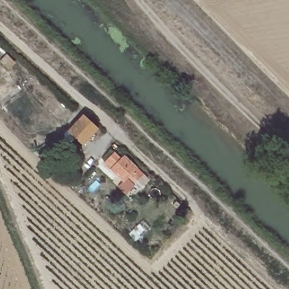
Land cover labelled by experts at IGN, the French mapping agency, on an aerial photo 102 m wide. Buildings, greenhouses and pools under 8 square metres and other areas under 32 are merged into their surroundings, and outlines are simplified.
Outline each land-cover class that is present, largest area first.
<instances>
[{"label":"herbaceous vegetation","instance_id":"1","mask_svg":"<svg viewBox=\"0 0 289 289\"><path fill-rule=\"evenodd\" d=\"M12 2L30 23L40 29L47 40L59 47L77 67L93 78L100 88L113 96L119 103L117 107L115 112L134 117L152 139L181 161L240 217L247 211L246 208L244 199H234L226 187L212 177L189 150L173 140L161 126L152 123L141 108L135 106L123 91L117 90L110 80L100 75L84 55L78 53L79 38L72 41L62 37L45 23L38 15V11L32 9L33 2L26 0H7ZM103 18L99 28L111 35L112 40L120 45L121 52L133 47L142 59H146L150 52H156L160 60L173 63L178 71L195 75L192 90L193 95L201 100L200 108L217 128L225 131L239 144L243 157L248 156L245 147L246 134L257 131L234 105L212 87L209 81L167 41L133 0H82ZM186 49L199 59L239 103L261 121L265 115L277 111L289 116V97L275 84L193 0H143ZM6 25L20 41L25 42L34 53L40 55L41 59L77 89L85 80L80 76H72L70 65L47 47L46 43L38 40L33 30L12 15L8 7L0 5V27ZM84 107L79 105L75 112L68 110L49 89L40 84L36 77L30 75L23 64L12 60L5 50H0V124L5 122L7 128L28 149L32 143H44L47 134L68 123L82 110ZM121 129L128 133L130 140L144 155L160 166L179 186L191 193L204 214L208 217L224 228L226 234L235 236L239 230L234 219L220 209L217 202L186 176L163 154V151L149 142L129 120L120 125ZM95 135L100 139L104 135L91 122L77 138L82 146L94 139ZM91 165H94L96 166L95 172L90 175V177L88 178V183L86 185L70 187L71 191L75 192L79 196V198L88 205L90 209H93L96 213H98L99 217H102L107 222V224L115 230L116 228H125L131 231L137 229L139 225L142 224V222H144V224L148 226L149 222H151L152 220H156L158 216H160V214H165V220H169L170 218H172L174 216L176 209L179 207V204L177 202H174V200L172 199H168L167 202H160L159 207L156 208L155 201L160 200L158 191H151L150 194L147 195V192H144L143 190L138 192L137 194L125 195L121 189H119V187H116V184L114 183L113 179L105 175L103 170L98 167V161L94 156L87 155L85 157V164L82 167L88 169ZM94 182L99 183L98 189L96 191H89V186ZM186 225L178 227L169 239L164 235H152L149 245L160 246L152 259L158 260L164 249L173 243V238H178L186 231Z\"/></svg>","mask_w":289,"mask_h":289},{"label":"vineyard","instance_id":"2","mask_svg":"<svg viewBox=\"0 0 289 289\"><path fill-rule=\"evenodd\" d=\"M40 161L38 152L28 149L7 128L5 122L0 124V194L15 214L16 227L27 249L29 260L34 266L38 283L42 284L43 289H288L269 275L259 257L254 256L251 249L235 236L226 234L224 228L208 217L199 233L178 251L183 260L175 255L181 265L170 259L163 270L147 273L85 213L65 198L60 192L64 186L54 182L52 178L43 179L37 174V163ZM0 289H30L5 220H0Z\"/></svg>","mask_w":289,"mask_h":289},{"label":"water","instance_id":"3","mask_svg":"<svg viewBox=\"0 0 289 289\"><path fill-rule=\"evenodd\" d=\"M33 2L32 9L38 11V15L45 23L62 37L72 41L79 38L78 53L84 55L100 75L110 80L117 90L123 91L135 106L141 108L152 123L161 126L173 140L189 150L212 177L226 187L234 199H244L246 208L248 205L252 207L251 213L255 221L278 236L281 243L289 247V214L275 202L268 185L254 182L245 175L242 167L243 157L239 144L225 131L217 128L200 108L187 100L170 96L167 88L157 85L154 76L140 67L142 59L133 47L121 52L120 45L112 40L111 35L99 28L103 18L82 0H26Z\"/></svg>","mask_w":289,"mask_h":289},{"label":"deciduous trees","instance_id":"4","mask_svg":"<svg viewBox=\"0 0 289 289\"><path fill-rule=\"evenodd\" d=\"M140 67L154 76L157 85L167 88L170 96L187 100L200 108L201 100L193 95L192 90L195 75L178 71L173 63L160 60L156 52H150L146 59H142ZM245 147L248 156L243 157L242 167L245 175L254 182L268 185L275 202L289 214V116L277 111L265 115L261 121L260 130L257 131L246 134ZM68 123L47 134L44 143H32L28 149L38 152L40 161L37 163V174L43 179L52 178L54 182L64 186L70 187L86 185L88 183V178L90 177V175L95 172L96 166L94 165H91L88 169L82 167L85 164V157L82 146L77 138L69 134ZM144 192H147V195L150 194L151 191H158L160 200L155 201L156 208L159 207L160 202H167L168 199H172L174 200V202H177L179 204V207L176 209L174 216L172 218H170L169 220H165V214H160V216H158L156 220H152L151 222H149L148 226L151 229L143 231V238L138 240L130 235L131 231L125 228H116L115 230L141 255L152 259L160 246L149 245L152 235H164L169 239L178 227L186 225L189 222L187 213L191 210L189 203L179 198L163 179L159 182L155 177L149 178L143 190ZM247 211L240 217L289 263V247L281 243L278 236L255 221L251 213L252 207L248 205L246 208ZM235 236L251 249L254 256L259 257L269 275L288 289H289V271L266 253L264 247L253 243L251 236L239 230Z\"/></svg>","mask_w":289,"mask_h":289},{"label":"pervious surface","instance_id":"5","mask_svg":"<svg viewBox=\"0 0 289 289\"><path fill-rule=\"evenodd\" d=\"M0 5L8 7L12 15L33 30L38 40L46 43L47 47L70 65L72 76H80L85 80L117 107L119 103L113 96L100 88L93 78L77 67L59 47L47 40L40 29L30 23L12 2L7 0H0ZM167 41L209 81L212 87L234 105L257 131L260 130L261 121L239 103L199 59L186 49L143 0H133ZM275 84L279 80L277 75L237 40L238 35L233 29L222 24L217 12L208 8L218 0H193ZM0 33L67 91L79 105L84 107L82 110L91 122L104 135L100 139L95 135L94 139L82 146L85 157L87 155L94 156L98 161L103 158L110 142L119 140L134 156L163 179L179 198L189 203L191 210L196 218H201L204 214L191 193L179 186L160 166L144 155L130 140L128 133L121 129L120 125L129 120L149 142L163 151V154L186 176L217 202L220 209L234 219L239 230L251 236L253 243L264 247L266 253L289 271V263L240 217L181 161L152 139L134 117L115 112L111 117L108 116L102 108L91 103L77 89L41 59L40 55L34 53L25 42L20 41L6 25L0 27Z\"/></svg>","mask_w":289,"mask_h":289},{"label":"plowed land","instance_id":"6","mask_svg":"<svg viewBox=\"0 0 289 289\"><path fill-rule=\"evenodd\" d=\"M208 8L217 12L222 24L233 29L238 35L237 40L277 75L279 80L275 84L289 97V0H218ZM60 192L65 198L85 213L147 273L163 270L170 259L181 265L175 255L183 260L178 251L199 233L208 217L204 214L201 218H196L191 210L187 213L189 222L186 225V231L178 238H173V243L164 249L158 260L152 259L141 255L115 230L107 224V222L102 217H99L98 213H96L93 209H90L88 205L79 198V196L75 192L71 191L70 187L64 186Z\"/></svg>","mask_w":289,"mask_h":289},{"label":"brushwood","instance_id":"7","mask_svg":"<svg viewBox=\"0 0 289 289\"><path fill-rule=\"evenodd\" d=\"M0 50H5L12 60L23 64L30 75L36 77L40 84L49 89L68 110L75 112L79 105L67 91L0 33ZM91 103L102 108L108 116L111 117L115 112L117 107L85 80L77 89ZM113 154L128 157L140 172L149 178L155 177L159 182L163 179L134 156L119 140L110 142L103 158L106 160ZM5 220L30 289H43L42 284L38 283L34 266L29 260L27 249L16 227L15 214L0 194V220Z\"/></svg>","mask_w":289,"mask_h":289},{"label":"building","instance_id":"8","mask_svg":"<svg viewBox=\"0 0 289 289\"><path fill-rule=\"evenodd\" d=\"M91 122L82 110L68 123L69 134L77 138ZM98 167L103 170L105 175L113 179L114 183L116 184V187H119V189H121L125 195L137 194L138 192L143 190L149 178L140 172L128 157L113 154L106 160L103 158L98 161ZM151 229L148 226L144 224V222H142V224L139 225L137 229L131 231L130 235L138 240L143 238V231Z\"/></svg>","mask_w":289,"mask_h":289},{"label":"swimming pool","instance_id":"9","mask_svg":"<svg viewBox=\"0 0 289 289\"><path fill-rule=\"evenodd\" d=\"M99 183L94 182L89 186V191H96L98 189Z\"/></svg>","mask_w":289,"mask_h":289}]
</instances>
